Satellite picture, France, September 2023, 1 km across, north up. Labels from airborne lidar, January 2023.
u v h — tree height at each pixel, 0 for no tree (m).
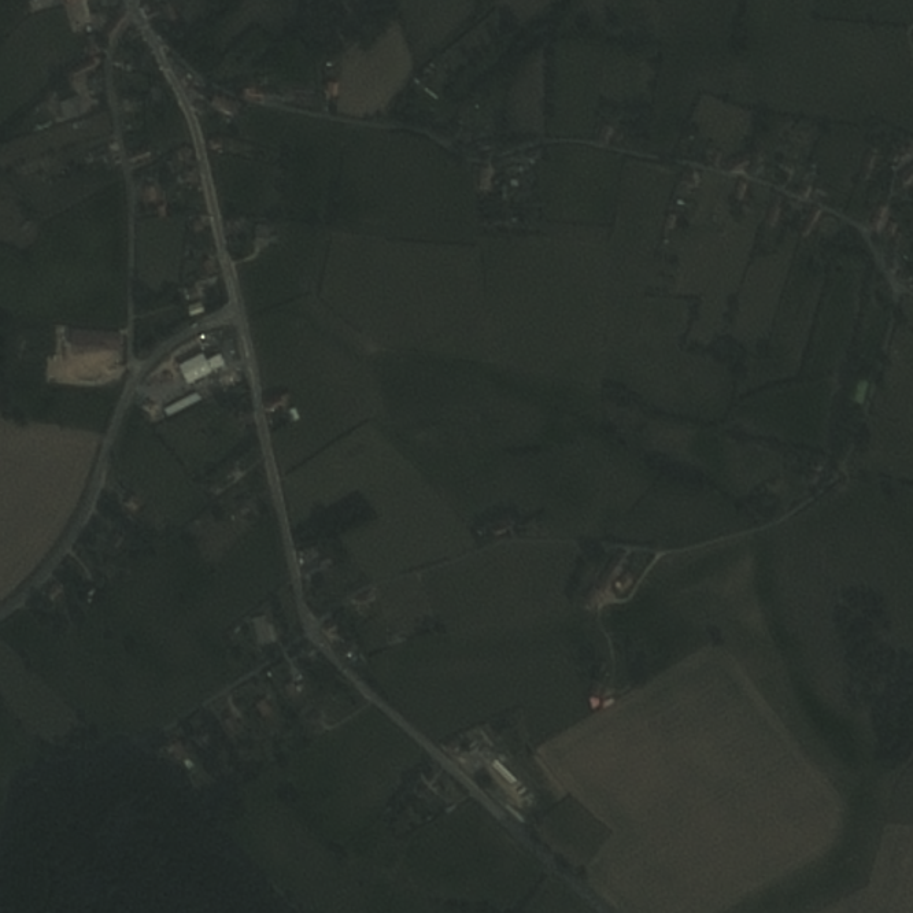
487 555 0
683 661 0
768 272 0
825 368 0
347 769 0
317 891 0
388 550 0
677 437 0
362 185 0
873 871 0
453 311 0
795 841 0
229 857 20
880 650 18
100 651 0
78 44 0
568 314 0
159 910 13
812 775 0
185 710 0
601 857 0
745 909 0
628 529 0
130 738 0
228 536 0
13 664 0
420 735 0
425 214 0
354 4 0
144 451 0
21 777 10
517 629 0
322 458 0
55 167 0
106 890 17
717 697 0
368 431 0
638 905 0
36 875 24
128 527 18
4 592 0
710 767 0
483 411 0
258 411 0
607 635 0
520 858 0
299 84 0
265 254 0
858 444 16
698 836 0
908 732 20
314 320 0
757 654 0
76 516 0
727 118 0
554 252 0
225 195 0
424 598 0
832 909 0
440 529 0
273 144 0
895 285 0
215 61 5
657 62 11
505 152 0
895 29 0
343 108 0
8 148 0
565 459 0
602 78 0
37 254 0
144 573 0
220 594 0
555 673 0
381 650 0
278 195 15
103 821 21
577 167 0
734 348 14
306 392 0
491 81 8
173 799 19
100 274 0
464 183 0
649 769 0
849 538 0
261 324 0
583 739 0
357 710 0
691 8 0
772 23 0
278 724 0
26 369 0
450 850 0
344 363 0
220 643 0
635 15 0
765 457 0
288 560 0
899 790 0
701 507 0
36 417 0
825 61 0
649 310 0
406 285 0
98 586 14
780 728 0
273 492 0
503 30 9
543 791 0
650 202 0
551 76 14
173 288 8
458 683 0
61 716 0
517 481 0
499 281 0
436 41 0
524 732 0
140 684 0
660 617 0
